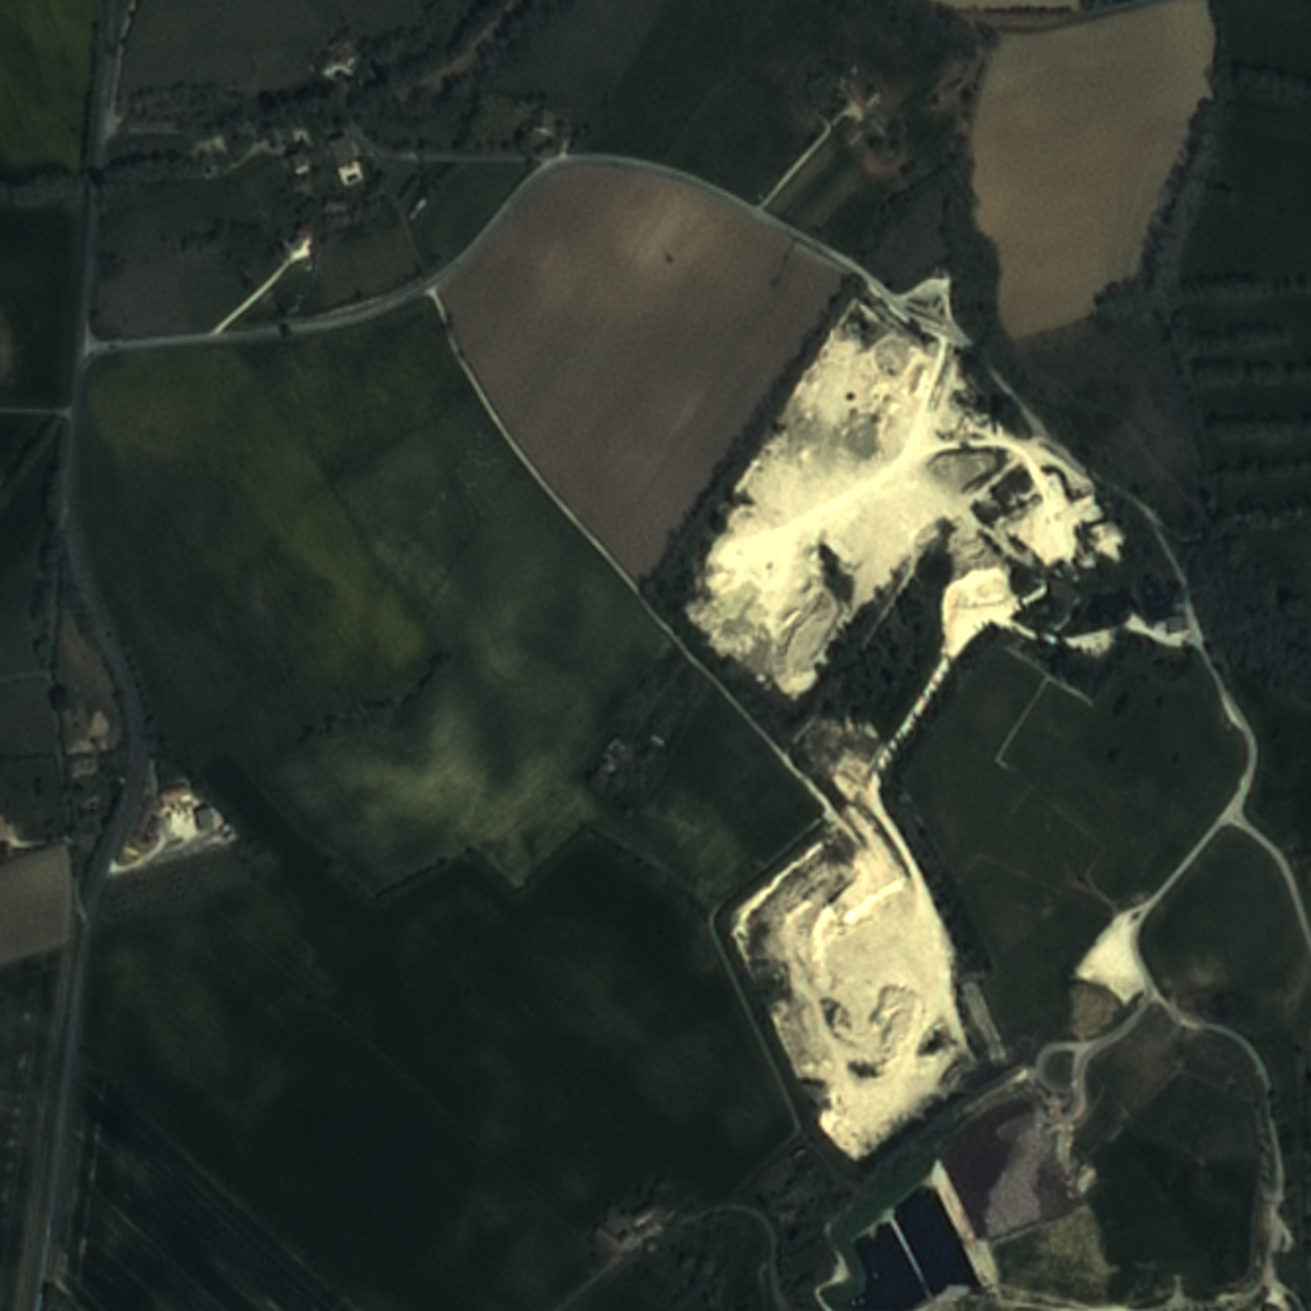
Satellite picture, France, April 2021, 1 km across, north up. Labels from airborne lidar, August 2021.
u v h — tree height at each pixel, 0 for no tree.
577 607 0
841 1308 0
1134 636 6
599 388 0
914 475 0
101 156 0
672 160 0
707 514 13
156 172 14
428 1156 0
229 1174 0
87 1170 0
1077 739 0
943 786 0
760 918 0
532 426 0
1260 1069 0
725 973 0
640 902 0
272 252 8
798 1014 0
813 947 0
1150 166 0
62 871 0
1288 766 0
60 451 7
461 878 0
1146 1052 0
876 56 0
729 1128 0
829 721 9
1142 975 0
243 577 0
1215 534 12
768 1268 0
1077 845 0
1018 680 0
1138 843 0
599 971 0
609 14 0
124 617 0
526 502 0
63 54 0
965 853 0
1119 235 0
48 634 8
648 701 0
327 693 0
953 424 0
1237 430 17
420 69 22
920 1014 0
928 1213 0
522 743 0
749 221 0
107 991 0
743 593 0
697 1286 8
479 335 0
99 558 0
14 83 0
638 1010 0
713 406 0
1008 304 0
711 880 0
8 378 0
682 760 0
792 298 0
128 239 0
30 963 0
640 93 0
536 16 17
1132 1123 0
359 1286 0
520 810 0
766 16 0
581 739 0
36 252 0
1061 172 0
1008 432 20
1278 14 0
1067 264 0
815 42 0
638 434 0
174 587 0
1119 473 15
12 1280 0
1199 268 0
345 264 0
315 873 0
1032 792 0
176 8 0
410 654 0
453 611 0
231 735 0
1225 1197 0
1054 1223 0
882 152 18
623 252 0
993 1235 0
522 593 0
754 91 0
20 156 0
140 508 0
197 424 0
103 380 0
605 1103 0
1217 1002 0
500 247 0
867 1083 0
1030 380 15
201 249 11
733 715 0
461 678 0
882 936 0
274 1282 0
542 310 0
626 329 0
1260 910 0
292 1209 0
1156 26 0
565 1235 0
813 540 0
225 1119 0
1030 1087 0
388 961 0
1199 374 17
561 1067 0
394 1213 0
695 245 0
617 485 0
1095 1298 0
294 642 0
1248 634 14
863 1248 0
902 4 17
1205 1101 0
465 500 0
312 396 0
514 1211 0
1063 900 0
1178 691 0
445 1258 0
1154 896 0
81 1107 0
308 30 0
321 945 0
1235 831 0
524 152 9
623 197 0
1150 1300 0
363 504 0
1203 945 0
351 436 0
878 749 0
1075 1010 0
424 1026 0
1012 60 0
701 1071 0
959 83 6
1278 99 12
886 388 0
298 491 0
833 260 0
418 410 0
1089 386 0
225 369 0
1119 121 0
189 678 0
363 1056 0
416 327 0
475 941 0
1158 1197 0
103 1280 0
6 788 0
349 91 14
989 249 17
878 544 0
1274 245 0
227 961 0
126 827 0
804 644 0
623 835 0
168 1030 0
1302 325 0
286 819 0
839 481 0
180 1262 0
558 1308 0
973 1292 0
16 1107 0
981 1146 0
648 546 0
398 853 0
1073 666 20
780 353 0
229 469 0
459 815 0
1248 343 19
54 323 0
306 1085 0
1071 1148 0
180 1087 0
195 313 0
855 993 0
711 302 0
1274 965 0
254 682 0
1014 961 0
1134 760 0
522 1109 0
